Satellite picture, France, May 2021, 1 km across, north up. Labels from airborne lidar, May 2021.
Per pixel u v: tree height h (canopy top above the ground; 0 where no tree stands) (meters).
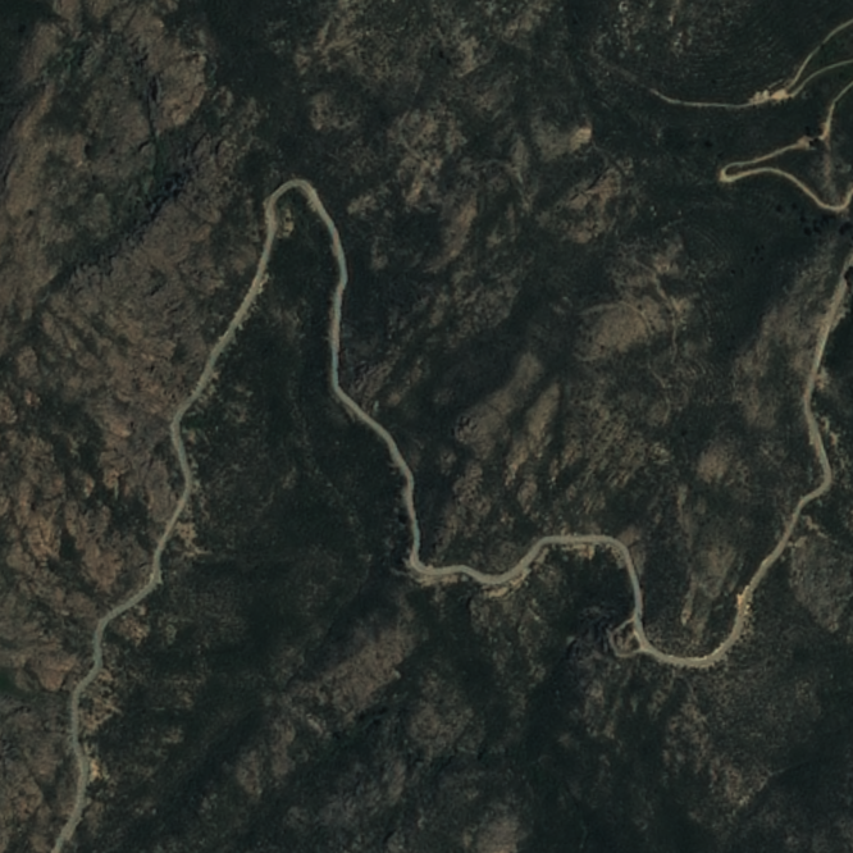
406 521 19
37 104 0
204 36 0
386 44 0
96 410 0
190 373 0
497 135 0
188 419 6
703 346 0
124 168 0
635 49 0
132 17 0
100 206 0
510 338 0
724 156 6
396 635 0
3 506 0
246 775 0
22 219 0
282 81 0
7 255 0
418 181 0
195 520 6
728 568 0
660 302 0
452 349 0
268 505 0
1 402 0
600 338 0
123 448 0
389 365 0
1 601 0
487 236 0
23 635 0
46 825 0
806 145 0
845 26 0
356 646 0
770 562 0
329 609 6
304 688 0
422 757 10
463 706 0
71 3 0
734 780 0
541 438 0
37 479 0
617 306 0
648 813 0
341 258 0
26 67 0
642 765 0
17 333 0
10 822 0
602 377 0
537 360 0
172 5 0
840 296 0
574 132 0
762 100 0
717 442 0
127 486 0
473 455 0
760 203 7
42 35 0
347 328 0
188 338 0
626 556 0
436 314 0
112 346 0
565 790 6
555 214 0
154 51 0
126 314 0
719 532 0
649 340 0
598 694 0
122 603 0
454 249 0
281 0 0
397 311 0
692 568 0
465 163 0
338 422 0
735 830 0
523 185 0
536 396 0
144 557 0
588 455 0
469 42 0
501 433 0
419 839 0
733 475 0
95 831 0
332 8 0
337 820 0
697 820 0
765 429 0
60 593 0
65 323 0
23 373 0
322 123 0
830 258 0
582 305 0
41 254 0
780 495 0
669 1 0
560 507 0
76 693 0
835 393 0
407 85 0
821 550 0
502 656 0
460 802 0
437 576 0
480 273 0
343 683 0
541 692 5
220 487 0
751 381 0
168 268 0
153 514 0
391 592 0
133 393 0
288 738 0
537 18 0
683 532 0
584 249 0
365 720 25
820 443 0
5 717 0
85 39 21
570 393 0
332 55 0
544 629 0
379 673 0
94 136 5
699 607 0
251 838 6
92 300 0
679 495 0
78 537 0
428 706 0
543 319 0
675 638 0
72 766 0
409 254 0
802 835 0
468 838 0
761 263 15
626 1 0
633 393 0
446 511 0
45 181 0
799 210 19
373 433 6
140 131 0
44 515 0
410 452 0
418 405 0
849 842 0
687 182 6
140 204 8
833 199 0
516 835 0
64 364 0
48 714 0
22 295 0
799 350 0
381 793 0
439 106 0
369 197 0
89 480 0
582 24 15
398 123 0
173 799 6
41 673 0
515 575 0
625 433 0
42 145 0
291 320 0
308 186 0
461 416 0
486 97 0
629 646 0
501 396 0
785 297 0
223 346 0
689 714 0
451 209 0
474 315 0
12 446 0
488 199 0
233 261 0
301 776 6
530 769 7
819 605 0
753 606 6
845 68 0
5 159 0
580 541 0
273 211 0
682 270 0
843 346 6
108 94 0
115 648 0
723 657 0
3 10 6
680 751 0
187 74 0
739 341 12
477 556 0
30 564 0
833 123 0
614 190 0
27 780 0
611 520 0
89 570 0
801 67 0
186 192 6
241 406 0
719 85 24
